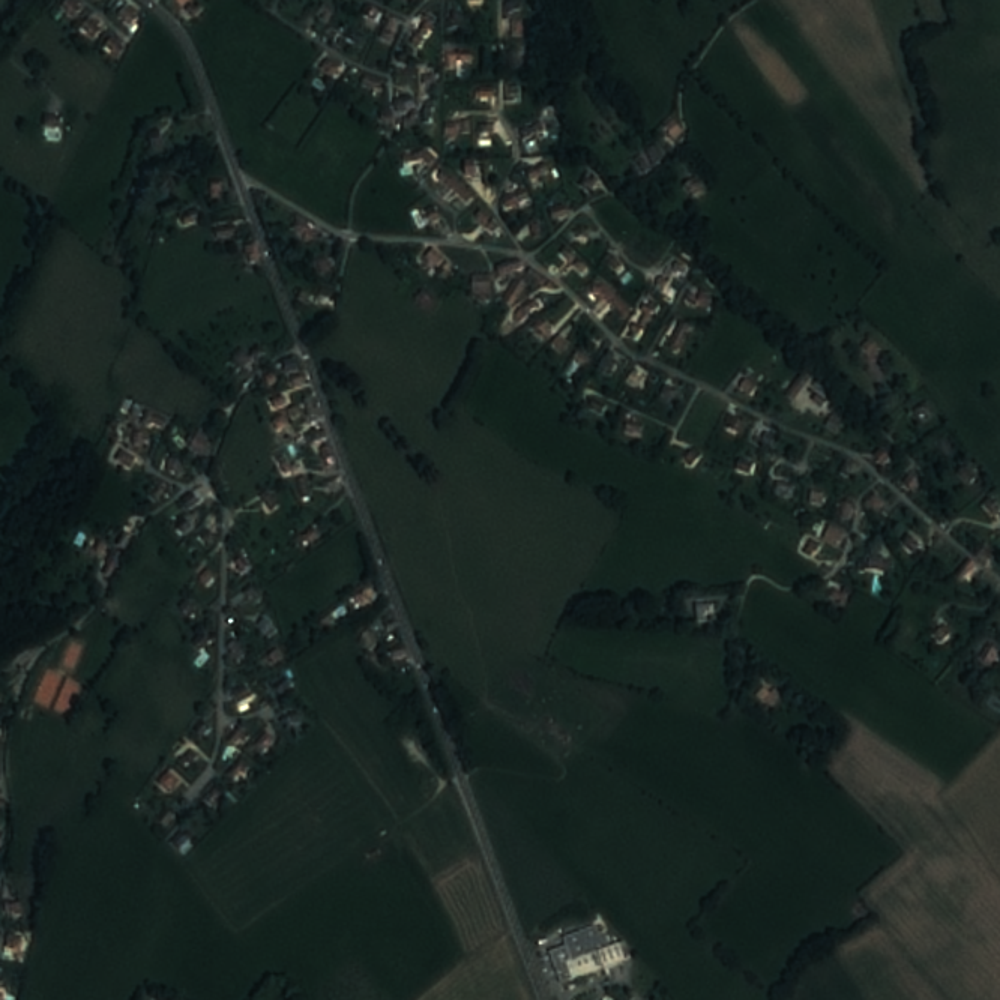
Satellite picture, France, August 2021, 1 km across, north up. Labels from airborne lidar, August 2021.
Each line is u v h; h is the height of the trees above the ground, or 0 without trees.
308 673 0
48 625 22
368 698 0
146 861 0
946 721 0
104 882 0
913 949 0
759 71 0
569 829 0
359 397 11
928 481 14
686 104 0
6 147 0
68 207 0
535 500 0
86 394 0
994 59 0
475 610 0
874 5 0
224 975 0
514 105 0
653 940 0
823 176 0
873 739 0
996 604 8
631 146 24
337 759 0
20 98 0
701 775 0
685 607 11
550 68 26
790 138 0
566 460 0
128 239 10
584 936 0
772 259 0
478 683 0
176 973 0
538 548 0
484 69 12
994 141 0
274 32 0
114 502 0
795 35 0
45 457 21
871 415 11
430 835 0
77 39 14
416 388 0
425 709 7
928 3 0
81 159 0
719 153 0
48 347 0
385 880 0
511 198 0
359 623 10
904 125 0
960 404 0
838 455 7
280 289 0
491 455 0
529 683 0
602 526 0
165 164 20
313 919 0
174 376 0
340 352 0
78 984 0
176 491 7
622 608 11
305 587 0
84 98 0
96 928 0
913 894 0
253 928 0
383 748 0
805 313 0
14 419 0
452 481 0
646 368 6
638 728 0
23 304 18
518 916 0
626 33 0
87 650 0
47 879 15
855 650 0
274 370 7
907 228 0
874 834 0
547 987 0
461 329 0
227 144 0
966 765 0
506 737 0
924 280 0
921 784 0
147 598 0
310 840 0
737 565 0
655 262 0
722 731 0
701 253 20
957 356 0
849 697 0
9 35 15
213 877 0
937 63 0
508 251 0
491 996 0
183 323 0
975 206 0
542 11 24
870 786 0
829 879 0
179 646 0
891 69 0
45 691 0
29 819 0
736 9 8
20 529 26
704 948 0
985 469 7
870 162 0
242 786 7
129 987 0
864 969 0
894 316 0
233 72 0
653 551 0
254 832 0
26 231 0
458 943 0
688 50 0
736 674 16
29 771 0
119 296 0
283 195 0
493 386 0
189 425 7
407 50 10
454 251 0
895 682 0
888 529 9
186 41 0
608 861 0
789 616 0
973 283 0
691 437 0
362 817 0
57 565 6
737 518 0
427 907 0
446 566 0
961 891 0
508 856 0
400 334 0
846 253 0
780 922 0
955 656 6
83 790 0
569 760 0
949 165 0
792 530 0
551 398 0
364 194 0
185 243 0
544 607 0
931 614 0
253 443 0
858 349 9
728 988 0
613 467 0
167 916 0
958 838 0
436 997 0
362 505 0
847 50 0
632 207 8
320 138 0
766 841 0
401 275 9
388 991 0
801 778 0
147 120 8
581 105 0
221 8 0
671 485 0
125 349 0
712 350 0
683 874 0
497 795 0
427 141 11
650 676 0
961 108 0
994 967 0
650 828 0
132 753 0
